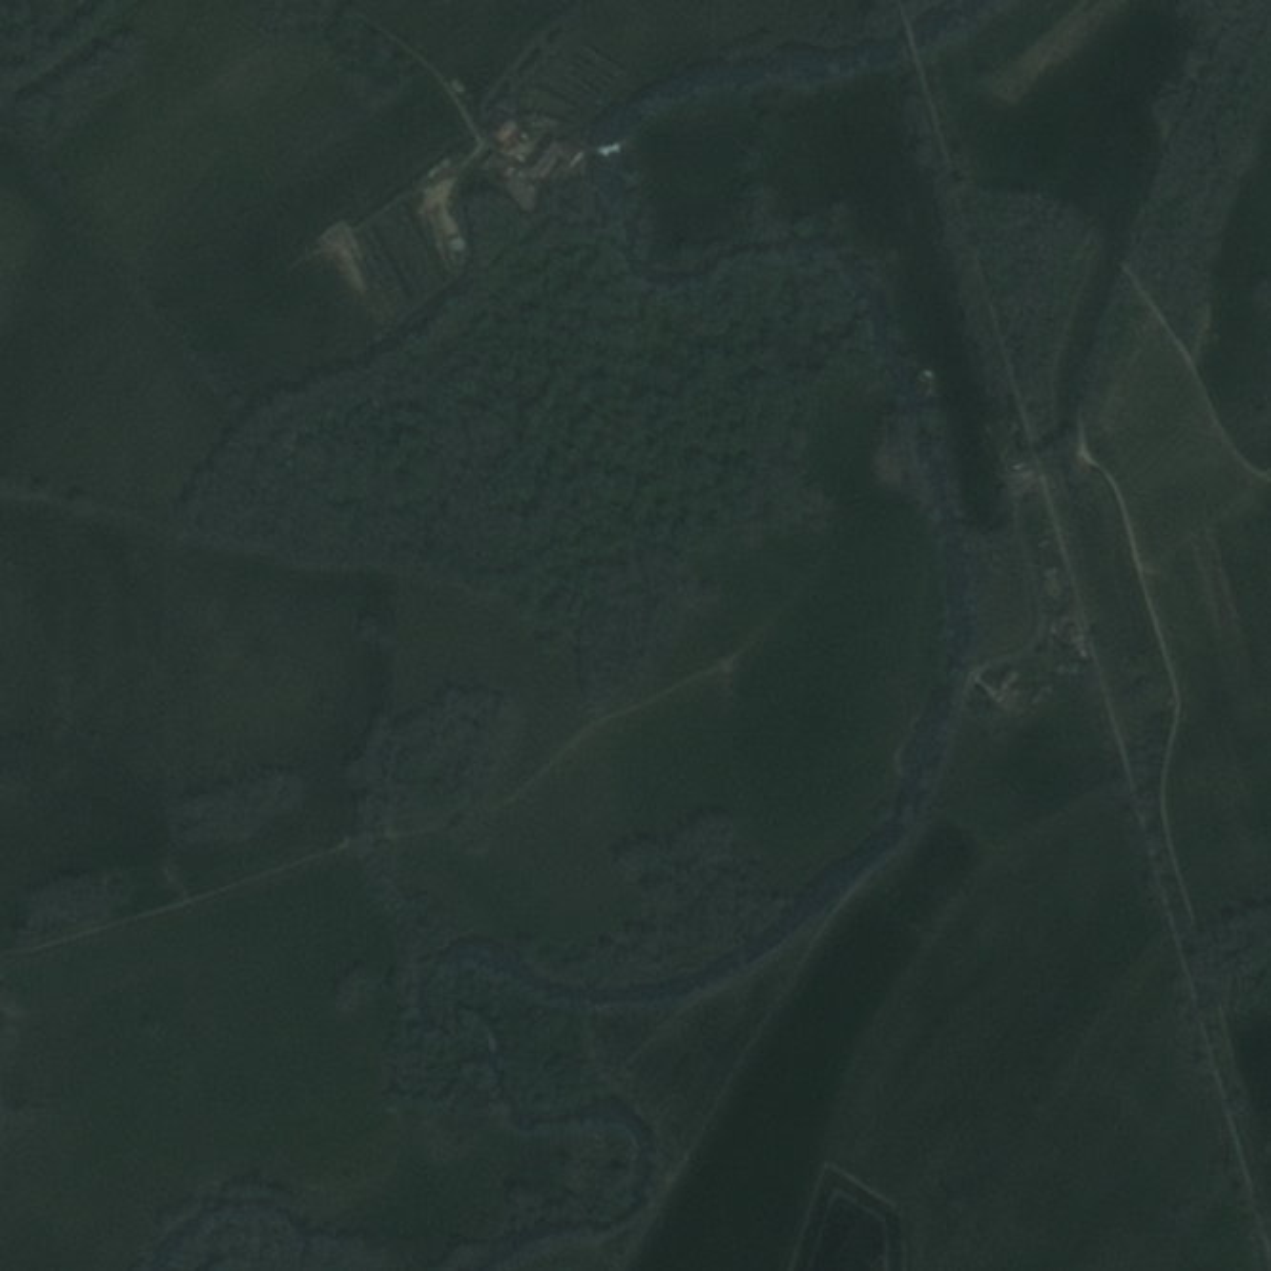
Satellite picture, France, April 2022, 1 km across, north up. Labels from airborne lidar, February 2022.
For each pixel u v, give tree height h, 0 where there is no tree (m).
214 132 0
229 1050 0
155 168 0
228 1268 25
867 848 0
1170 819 0
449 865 0
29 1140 0
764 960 0
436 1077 9
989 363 17
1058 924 0
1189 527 0
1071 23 0
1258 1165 0
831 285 19
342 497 28
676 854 16
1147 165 0
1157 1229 0
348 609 0
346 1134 0
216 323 0
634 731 0
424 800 24
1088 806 0
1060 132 0
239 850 0
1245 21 18
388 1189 0
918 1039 0
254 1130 0
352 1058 0
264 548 21
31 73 19
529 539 25
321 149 0
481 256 24
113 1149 0
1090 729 0
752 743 0
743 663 0
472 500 24
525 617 19
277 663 0
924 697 0
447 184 0
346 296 0
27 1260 0
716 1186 0
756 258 19
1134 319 10
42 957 0
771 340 8
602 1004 0
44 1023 0
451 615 0
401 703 0
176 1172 0
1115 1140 0
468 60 0
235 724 0
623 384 22
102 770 0
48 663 0
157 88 0
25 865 0
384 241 0
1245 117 21
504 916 0
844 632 0
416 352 21
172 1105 0
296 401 26
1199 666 0
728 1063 0
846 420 0
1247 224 0
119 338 0
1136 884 0
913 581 0
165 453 0
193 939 0
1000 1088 0
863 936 0
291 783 14
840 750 0
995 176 0
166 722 0
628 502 21
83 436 0
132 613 0
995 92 20
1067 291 20
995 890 0
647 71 0
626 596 27
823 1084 0
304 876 0
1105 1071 0
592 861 0
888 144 0
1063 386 0
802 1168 0
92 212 0
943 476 8
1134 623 0
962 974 0
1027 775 0
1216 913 0
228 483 27
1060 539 0
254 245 0
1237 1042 0
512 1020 6
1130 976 0
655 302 20
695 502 22
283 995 0
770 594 0
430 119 0
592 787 0
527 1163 0
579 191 8
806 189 0
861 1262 0
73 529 0
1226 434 0
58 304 0
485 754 21
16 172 0
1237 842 0
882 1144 0
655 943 25
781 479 28
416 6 0
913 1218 0
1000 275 26
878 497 0
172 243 0
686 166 0
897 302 0
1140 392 0
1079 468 18
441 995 12
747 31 0
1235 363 0
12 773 0
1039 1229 0
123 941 0
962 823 0
